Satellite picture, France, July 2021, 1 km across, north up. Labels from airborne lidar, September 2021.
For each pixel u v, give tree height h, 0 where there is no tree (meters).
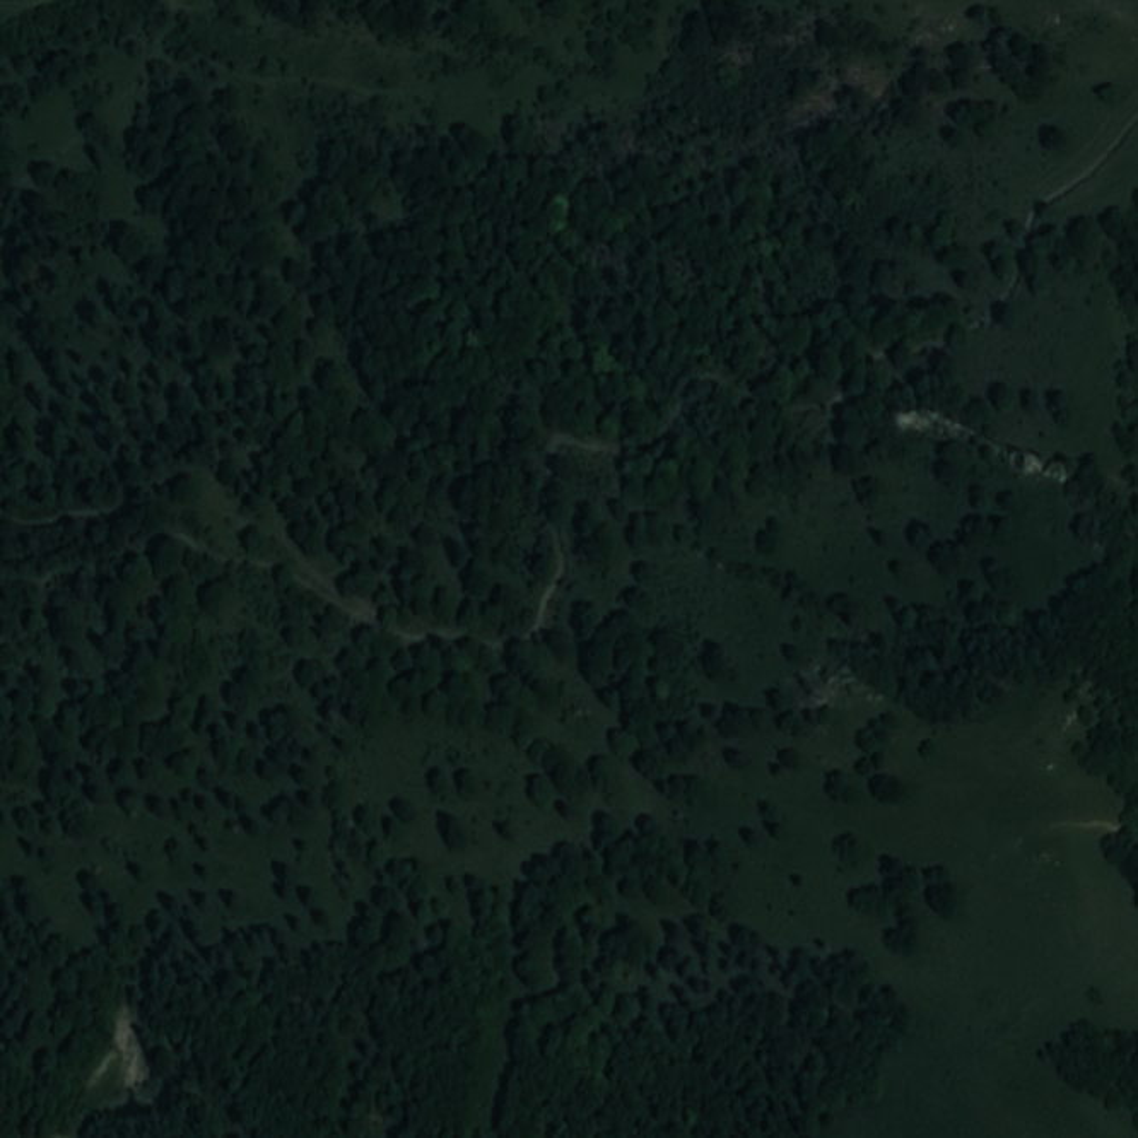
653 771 26
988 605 14
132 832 0
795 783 0
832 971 17
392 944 28
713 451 8
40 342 35
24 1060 19
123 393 33
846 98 31
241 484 23
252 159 24
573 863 28
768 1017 23
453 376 30
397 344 28
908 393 24
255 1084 22
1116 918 0
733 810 0
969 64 19
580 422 21
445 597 27
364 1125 15
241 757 26
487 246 30
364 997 26
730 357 23
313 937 0
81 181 26
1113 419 0
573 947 24
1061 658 23
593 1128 27
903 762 0
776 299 27
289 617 17
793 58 11
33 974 23
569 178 28
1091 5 0
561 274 34
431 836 0
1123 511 21
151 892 0
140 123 10
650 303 28
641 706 22
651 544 15
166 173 10
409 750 0
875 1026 16
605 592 0
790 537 0
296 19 18
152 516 35
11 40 11
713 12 23
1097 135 0
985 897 0
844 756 0
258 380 34
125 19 7
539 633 12
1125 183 0
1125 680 16
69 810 19
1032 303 0
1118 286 9
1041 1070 0
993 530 15
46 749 19
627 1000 23
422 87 0
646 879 23
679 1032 26
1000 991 0
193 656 9
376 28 23
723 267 32
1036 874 0
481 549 26
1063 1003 0
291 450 29
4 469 26
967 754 0
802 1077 20
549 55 8
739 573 12
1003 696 11
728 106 7
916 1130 0
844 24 10
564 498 22
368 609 0
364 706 26
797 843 0
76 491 12
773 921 0
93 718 29
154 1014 26
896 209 7
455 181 9
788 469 13
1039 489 0
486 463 13
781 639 0
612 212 24
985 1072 0
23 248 26
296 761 7
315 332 23
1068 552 0
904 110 23
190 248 30
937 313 32
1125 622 22
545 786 26
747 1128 16
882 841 0
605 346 18
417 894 25
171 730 26
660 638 20
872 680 15
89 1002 19
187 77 15
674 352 10
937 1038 0
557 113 9
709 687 0
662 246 21
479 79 0
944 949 0
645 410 21
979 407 25
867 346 27
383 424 27
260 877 0
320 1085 17
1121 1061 23
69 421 34
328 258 26
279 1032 21
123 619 29
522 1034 25
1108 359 0
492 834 0
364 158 23
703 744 19
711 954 27
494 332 24
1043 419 0
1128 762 23
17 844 0
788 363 22
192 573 11
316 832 0
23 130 0
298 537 21
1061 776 0
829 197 26
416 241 36
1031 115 0
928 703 20
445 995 27
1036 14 0
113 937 32
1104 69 0
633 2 8
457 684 31
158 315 32
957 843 0
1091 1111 0
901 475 0
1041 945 0
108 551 13
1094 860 0
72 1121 9
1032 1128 0
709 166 8
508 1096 21
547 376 28
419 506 8
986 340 0
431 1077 22
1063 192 0
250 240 20
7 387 18
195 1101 27
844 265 11
